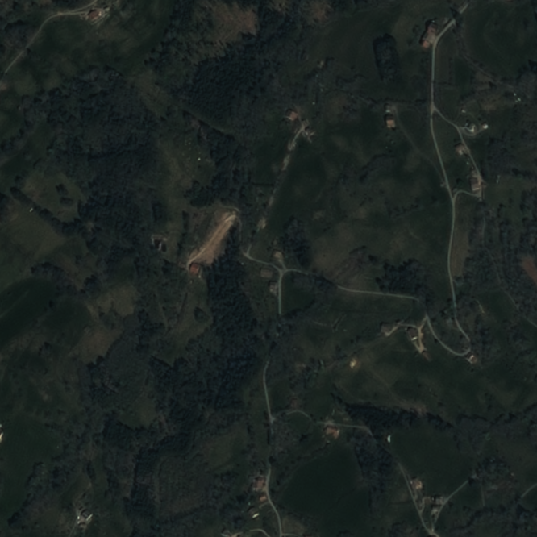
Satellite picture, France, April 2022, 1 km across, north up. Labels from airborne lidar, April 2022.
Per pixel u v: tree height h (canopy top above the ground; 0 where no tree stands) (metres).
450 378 0
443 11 0
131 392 14
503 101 0
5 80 23
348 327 0
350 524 0
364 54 0
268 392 0
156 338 25
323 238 0
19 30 23
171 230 0
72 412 0
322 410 0
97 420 13
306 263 27
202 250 0
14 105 0
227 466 0
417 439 0
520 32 0
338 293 23
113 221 29
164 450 31
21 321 0
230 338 24
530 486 0
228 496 16
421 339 0
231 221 0
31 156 15
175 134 5
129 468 32
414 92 0
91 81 34
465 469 0
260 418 0
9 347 0
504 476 23
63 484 24
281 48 7
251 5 25
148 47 0
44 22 0
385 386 0
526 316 16
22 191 12
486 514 16
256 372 31
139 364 21
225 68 30
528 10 0
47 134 0
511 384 0
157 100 10
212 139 29
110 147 21
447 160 0
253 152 9
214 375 25
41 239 0
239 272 27
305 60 16
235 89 29
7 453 0
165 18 0
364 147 0
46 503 27
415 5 0
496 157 15
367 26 0
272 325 16
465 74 0
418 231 0
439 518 0
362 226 0
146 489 31
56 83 0
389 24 0
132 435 29
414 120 0
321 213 0
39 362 0
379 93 0
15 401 0
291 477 11
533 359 22
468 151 0
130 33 0
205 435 11
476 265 16
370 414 24
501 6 0
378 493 22
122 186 28
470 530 7
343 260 0
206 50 30
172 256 0
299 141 0
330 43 0
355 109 17
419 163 0
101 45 12
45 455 0
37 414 0
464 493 0
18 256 0
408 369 0
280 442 13
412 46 13
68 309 0
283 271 0
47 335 0
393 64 23
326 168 0
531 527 17
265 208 8
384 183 0
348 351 0
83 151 28
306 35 17
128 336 16
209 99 29
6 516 0
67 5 27
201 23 23
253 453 16
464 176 0
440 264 0
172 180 0
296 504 0
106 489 0
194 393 25
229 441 0
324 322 0
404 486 0
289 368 19
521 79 8
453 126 0
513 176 20
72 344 0
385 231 0
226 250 0
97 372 29
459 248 0
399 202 0
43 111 27
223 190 24
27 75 0
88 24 0
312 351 0
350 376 0
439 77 0
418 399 0
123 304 0
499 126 0
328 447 9
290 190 0
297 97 10
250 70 24
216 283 28
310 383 23
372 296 0
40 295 0
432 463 0
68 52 0
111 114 24
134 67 0
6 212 20
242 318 27
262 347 32
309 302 0
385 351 0
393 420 24
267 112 13
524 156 0
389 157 12
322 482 0
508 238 11
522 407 0
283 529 0
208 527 0
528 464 0
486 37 0
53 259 0
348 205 0
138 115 25
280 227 0
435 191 0
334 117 0
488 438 14
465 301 15
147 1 0
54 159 22
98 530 0
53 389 0
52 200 0
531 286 20
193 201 12
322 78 22
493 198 0
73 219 0
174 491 7
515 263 9
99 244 30
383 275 0
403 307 0
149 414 0
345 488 0
